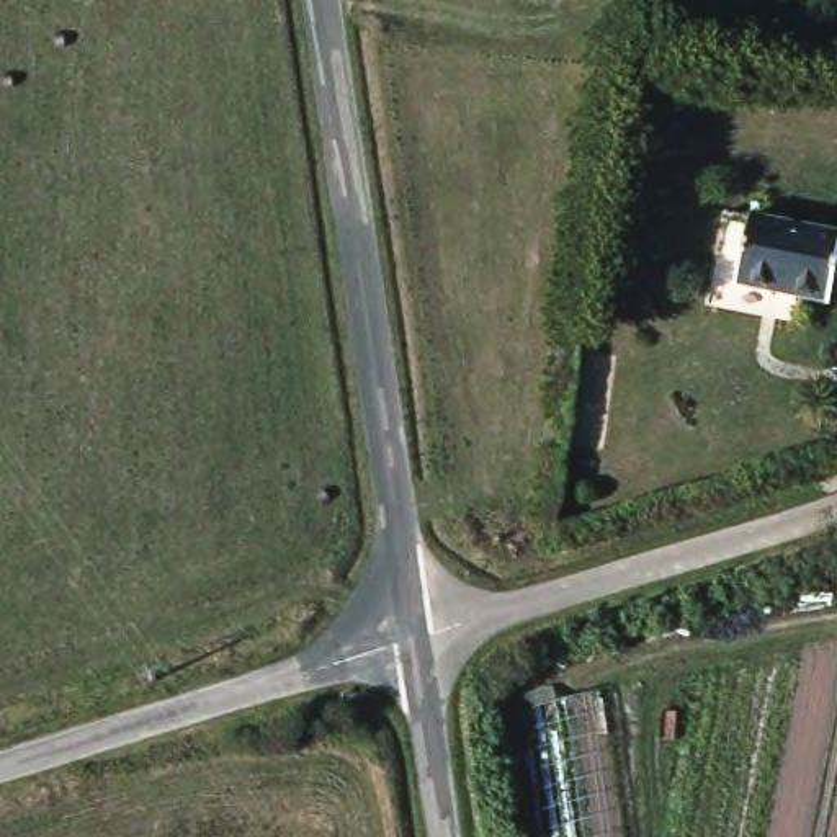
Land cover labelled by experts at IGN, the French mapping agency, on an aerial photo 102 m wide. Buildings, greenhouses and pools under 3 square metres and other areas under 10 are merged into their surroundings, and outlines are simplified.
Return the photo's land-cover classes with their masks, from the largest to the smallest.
<instances>
[{"label":"agricultural land","instance_id":"1","mask_svg":"<svg viewBox=\"0 0 837 837\"><path fill-rule=\"evenodd\" d=\"M343 412L333 373V347L327 333V307L307 193V163L294 105L281 0H0V749L291 660L317 641V634L333 618H340L350 592L343 582L333 579L337 559L350 546L353 510L340 451ZM494 755H504L510 765L507 772L513 791V827L523 837H837V624L814 621L785 634H772L765 624L755 634L736 641L693 638L690 628H664L660 634L644 638V644L634 651L566 657V664H559V670L530 696L517 683L497 700L494 709ZM0 837H399L389 775L376 762V745L369 739L356 745L314 742L298 752H248L245 759H190L157 765L147 772H134L121 785H108V791L78 788V775L69 765L0 781Z\"/></svg>","mask_w":837,"mask_h":837},{"label":"herbaceous vegetation","instance_id":"2","mask_svg":"<svg viewBox=\"0 0 837 837\"><path fill-rule=\"evenodd\" d=\"M611 0H376V10L353 7L347 13V26L360 23L363 29V62L379 144V170L396 252V278L422 448V477L415 481L419 523L432 559L441 569H448L458 582H468L474 589H530L539 582H553L634 556L624 546V536H611L602 543L575 549L566 546L553 556H539L533 553L526 520L520 513H510V497H536L533 448L553 438V422L543 419L549 347L543 320L546 271L539 265H553L559 219L556 193L569 180V131L562 124L579 108V85L589 78L582 65V29L598 23L602 7ZM674 7V29L703 20L716 23L719 29H736L739 36L742 29H759V43L765 49L778 36H791L804 56H817L824 46L837 43V0H667ZM641 111L624 128V134L641 137L647 150L628 170L631 199L624 206L631 222L621 229L624 268L611 281V294L605 298V307L621 324L615 327L611 343H595L582 350L559 520L579 517L575 490L582 484H589L598 497L615 494L618 500H624L638 497L641 490L670 484L674 477L726 474L732 464L768 458L775 448L804 445L814 435L837 432V409L830 415H817L814 409H808L801 396L804 379H781L759 366L755 347L762 317L709 307L706 298L693 307L674 301L667 294V275L677 265L693 268L716 248L723 213L716 209V203L700 199L696 183L706 167L723 170L729 193L752 196L755 183L762 180V170L768 167L781 177L785 196L837 203V111H778L749 105L742 108V114L732 118L726 111L683 105L657 85L644 88L638 101ZM772 353L785 363L837 366V294H830L827 304H798L791 307L788 320H775ZM549 628L546 615L490 634L464 660V667L474 677L477 700L494 709L497 700L517 683L526 680L533 670L526 638ZM350 709L356 713L369 739L376 745V762L389 775L399 837H428L419 798L412 732L399 709L396 690L360 683L350 696ZM301 703V696H284L242 709L252 723H265L288 716ZM232 726L229 716H216L199 726L69 765L78 775V788L108 791V785H121L134 772H147L157 765L190 759H245L248 752H242L235 739L226 732Z\"/></svg>","mask_w":837,"mask_h":837},{"label":"impervious surface","instance_id":"3","mask_svg":"<svg viewBox=\"0 0 837 837\"><path fill-rule=\"evenodd\" d=\"M353 7L376 10V0H304L314 62V101L327 163V193L337 219V314L343 327L353 419L363 438L356 445V464L366 504L369 546L350 569V579L356 582V589L350 592L340 618H333L317 634V641L291 660L0 749V781L69 765L199 726L216 716H229L242 709L284 696H301L340 683H360L396 690L399 709L412 732L419 798L428 837H461L448 732V696L458 670L464 667V660L490 634L546 615L582 602H598L647 582H660L680 572L716 566L745 553H759L798 536H811L837 523V477L824 481V497L811 504L634 556L553 582H539L530 589H474L468 582H458L448 569H441L432 559L419 523L415 481L409 461L396 343L386 304L347 26V13ZM716 248V288L706 298L709 307L762 317L755 347L759 366L781 379H837V366L785 363L772 353L775 320H788L791 307L798 304L794 294L739 281L745 226L732 213H723Z\"/></svg>","mask_w":837,"mask_h":837},{"label":"brushwood","instance_id":"4","mask_svg":"<svg viewBox=\"0 0 837 837\"><path fill-rule=\"evenodd\" d=\"M294 105L307 163V193L327 307V333L333 347V373L343 412L340 451L353 510L350 546L337 559L333 579L343 582L350 592L356 589V582L350 579V569L369 546L366 504L356 464V445L363 438L353 419L343 327L337 314V219L327 193V163L314 101V62L304 0H281ZM386 304L396 343L409 461L415 481L422 477V448L396 278V252L379 170V144L363 62V29L360 23L347 26ZM700 199L716 203V209L723 213H732L745 226L755 216V209L785 196L781 177L768 167L762 170V180L755 183L752 196L729 193L723 170L706 167L696 183ZM716 288V248L693 268L677 265L667 275V294L674 301L693 307L706 298ZM582 350L579 343H566L562 350L549 347L543 419L553 422V438L533 448L536 497H510V513H520L526 520L533 553L539 556H553L566 546L575 549L602 543L611 536H624V546L634 556L811 504L824 497V481L837 477V432L814 435L804 445L775 448L768 458L732 464L726 474L674 477L670 484L641 490L638 497L624 500H618L615 494L598 497L589 484H582L575 490L579 517L559 520ZM801 396L808 409H814L817 415H830L837 409V379H804ZM837 589V523L811 536H798L759 553H745L716 566L680 572L660 582H647L598 602H582L546 615L549 628L526 638L533 670L526 680L517 683L530 696L559 670V664H566V657L634 651L644 644V638L660 634L664 628H690L693 638L736 641L755 634L765 624L759 605H772V611L785 618L801 595ZM448 732L461 837H523L513 827V791L507 772L510 765L504 755H494V709L477 700L474 677L464 667L458 670L448 696ZM360 683H340L301 696V703L288 716L265 723H252L242 709L229 716L232 726L226 732L235 739L242 752H298L314 742L356 745L369 739L356 713L350 709V696Z\"/></svg>","mask_w":837,"mask_h":837},{"label":"deciduous trees","instance_id":"5","mask_svg":"<svg viewBox=\"0 0 837 837\"><path fill-rule=\"evenodd\" d=\"M582 65L589 78L579 85V108L562 124L569 131V180L556 193L559 219L553 265H539L546 271L543 320L549 347L562 350L566 343H579L582 350L595 343H611L615 327L621 324L605 307V298L611 294V281L624 268L621 229L631 222L624 206L631 199L628 170L647 150L641 137L624 134V128L641 111L638 101L644 88L657 85L683 105L726 111L732 118L742 114V108L749 105L778 111H837V43L824 46L817 56H804L791 36H778L765 49L759 43V29H742L739 36L736 29H719L716 23L703 20L674 29V7L667 0H611L602 7L598 23L582 29Z\"/></svg>","mask_w":837,"mask_h":837},{"label":"building","instance_id":"6","mask_svg":"<svg viewBox=\"0 0 837 837\"><path fill-rule=\"evenodd\" d=\"M739 281L794 294L798 304H827L830 294H837V203L785 196L755 209V216L745 226Z\"/></svg>","mask_w":837,"mask_h":837},{"label":"pervious surface","instance_id":"7","mask_svg":"<svg viewBox=\"0 0 837 837\"><path fill-rule=\"evenodd\" d=\"M765 624L772 634H785L814 621L837 624V589L801 595L785 618L772 611V605H759Z\"/></svg>","mask_w":837,"mask_h":837}]
</instances>
